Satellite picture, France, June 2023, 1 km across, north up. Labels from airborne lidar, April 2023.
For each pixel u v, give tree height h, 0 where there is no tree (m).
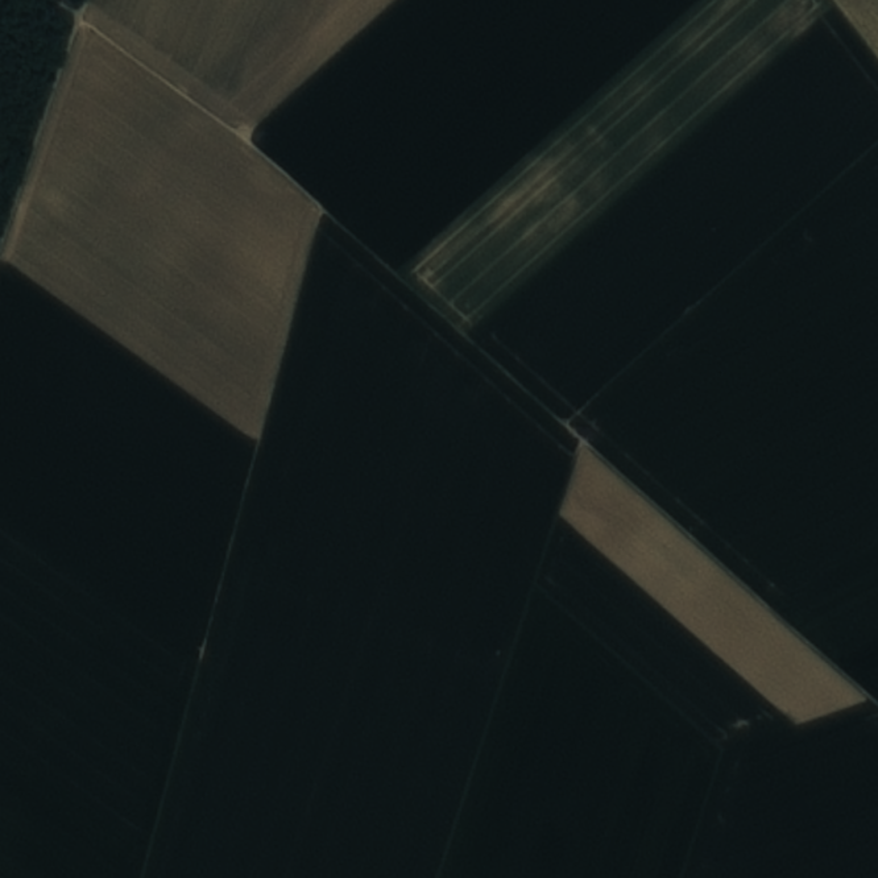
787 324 0
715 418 0
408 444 0
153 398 0
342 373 0
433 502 0
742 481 0
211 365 0
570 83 0
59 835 0
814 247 0
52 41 19
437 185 0
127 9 0
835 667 0
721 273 0
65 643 0
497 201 0
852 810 0
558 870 0
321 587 0
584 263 0
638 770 0
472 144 0
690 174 0
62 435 0
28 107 19
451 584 0
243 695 0
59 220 0
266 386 0
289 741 0
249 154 0
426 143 0
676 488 0
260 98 0
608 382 0
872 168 0
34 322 0
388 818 0
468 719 0
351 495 0
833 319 0
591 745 0
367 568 0
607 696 0
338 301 0
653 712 0
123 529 0
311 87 0
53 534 0
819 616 0
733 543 0
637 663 0
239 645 0
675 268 0
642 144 0
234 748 0
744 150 0
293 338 0
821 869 0
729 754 0
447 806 0
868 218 0
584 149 0
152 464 0
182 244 0
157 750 0
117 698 0
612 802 0
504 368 0
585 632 0
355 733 0
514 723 0
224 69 0
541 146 0
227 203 0
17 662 0
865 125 0
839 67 0
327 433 0
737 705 0
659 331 0
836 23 0
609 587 0
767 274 0
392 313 0
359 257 0
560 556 0
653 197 0
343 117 0
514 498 0
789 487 0
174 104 0
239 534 0
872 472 0
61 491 0
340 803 0
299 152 0
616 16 0
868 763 0
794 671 0
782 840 0
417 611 0
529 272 0
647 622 0
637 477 0
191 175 0
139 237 0
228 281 0
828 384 0
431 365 0
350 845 0
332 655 0
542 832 0
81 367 0
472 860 0
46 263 0
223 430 0
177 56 0
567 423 0
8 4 17
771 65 0
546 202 0
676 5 0
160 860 0
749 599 0
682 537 0
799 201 0
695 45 0
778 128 0
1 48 19
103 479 0
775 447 0
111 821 0
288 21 0
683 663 0
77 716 0
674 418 0
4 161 22
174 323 0
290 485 0
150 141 0
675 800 0
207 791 0
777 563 0
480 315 0
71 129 0
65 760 0
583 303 0
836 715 0
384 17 0
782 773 0
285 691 0
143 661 0
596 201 0
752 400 0
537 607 0
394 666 0
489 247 0
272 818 0
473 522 0
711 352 0
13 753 0
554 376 0
